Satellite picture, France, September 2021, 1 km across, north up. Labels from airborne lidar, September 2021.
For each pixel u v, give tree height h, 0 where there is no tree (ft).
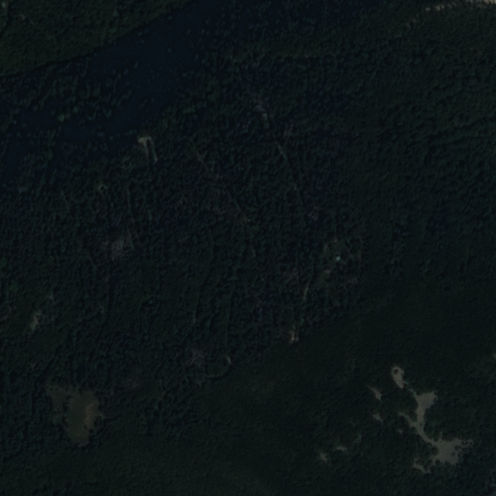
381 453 73
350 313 82
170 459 58
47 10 68
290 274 60
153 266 86
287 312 64
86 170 94
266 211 77
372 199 68
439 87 91
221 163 23
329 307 40
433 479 76
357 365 72
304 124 93
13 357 91
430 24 71
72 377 99
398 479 65
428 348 73
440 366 84
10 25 90
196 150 24
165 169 88
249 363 66
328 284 47
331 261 29
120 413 81
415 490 69
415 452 58
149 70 81
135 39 37
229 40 59
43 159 104
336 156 83
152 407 69
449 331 81
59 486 89
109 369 36
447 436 56
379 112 77
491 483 92
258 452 69
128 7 79
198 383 31
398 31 64
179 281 74
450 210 65
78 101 37
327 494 82
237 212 65
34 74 32
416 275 73
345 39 47
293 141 87
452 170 109
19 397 82
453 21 49
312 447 57
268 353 73
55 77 60
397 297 77
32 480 90
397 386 42
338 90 78
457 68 75
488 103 79
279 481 77
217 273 78
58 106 29
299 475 77
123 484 75
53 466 76
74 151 98
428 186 80
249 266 93
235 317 83
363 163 84
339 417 84
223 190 28
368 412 87
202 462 59
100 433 52
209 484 64
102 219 45
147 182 94
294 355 70
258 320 93
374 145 102
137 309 91
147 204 39
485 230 69
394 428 70
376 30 77
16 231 83
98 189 28
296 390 75
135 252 40
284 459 71
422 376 83
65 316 70
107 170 66
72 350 89
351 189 67
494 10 42
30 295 76
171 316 74
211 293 70
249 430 66
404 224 79
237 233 82
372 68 90
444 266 67
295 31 57
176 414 73
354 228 71
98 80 61
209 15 57
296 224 77
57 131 108
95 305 61
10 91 47
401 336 77
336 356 63
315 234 84
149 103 130
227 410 61
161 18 45
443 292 72
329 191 69
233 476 45
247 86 93
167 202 90
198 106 104
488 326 93
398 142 87
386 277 85
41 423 93
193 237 74
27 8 63
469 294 85
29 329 53
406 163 74
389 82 54
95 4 96
